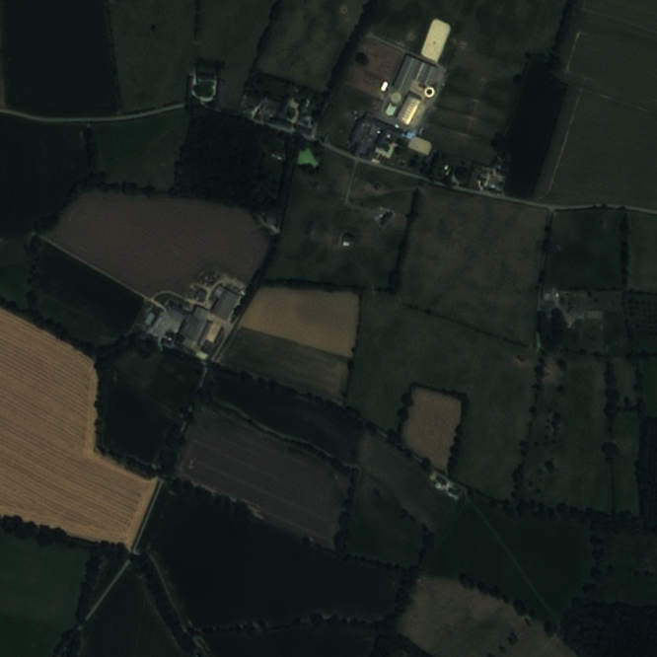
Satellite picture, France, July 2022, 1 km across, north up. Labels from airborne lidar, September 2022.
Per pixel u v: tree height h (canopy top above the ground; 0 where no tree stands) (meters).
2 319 0
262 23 0
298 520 0
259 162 18
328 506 0
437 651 0
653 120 0
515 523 0
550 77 7
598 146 0
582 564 0
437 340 0
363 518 0
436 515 0
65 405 0
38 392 0
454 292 0
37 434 0
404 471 0
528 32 0
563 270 0
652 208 0
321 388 0
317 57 0
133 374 0
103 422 15
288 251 0
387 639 20
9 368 0
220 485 0
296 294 0
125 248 0
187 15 0
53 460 0
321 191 0
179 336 11
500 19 0
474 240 0
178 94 0
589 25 0
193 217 0
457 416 0
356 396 0
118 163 0
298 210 0
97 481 0
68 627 0
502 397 0
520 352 0
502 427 0
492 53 0
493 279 0
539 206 0
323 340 0
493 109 0
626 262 12
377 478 0
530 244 0
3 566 0
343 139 0
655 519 33
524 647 0
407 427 0
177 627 15
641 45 0
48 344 0
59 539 15
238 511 24
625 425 0
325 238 0
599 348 0
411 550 0
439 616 0
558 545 0
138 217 0
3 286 0
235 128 17
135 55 0
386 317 0
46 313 0
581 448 0
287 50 0
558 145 0
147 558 20
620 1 0
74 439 0
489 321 0
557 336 28
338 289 7
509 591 0
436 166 12
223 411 0
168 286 0
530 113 0
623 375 0
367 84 0
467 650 0
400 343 0
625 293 6
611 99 0
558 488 0
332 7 0
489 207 0
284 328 0
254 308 0
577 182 0
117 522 0
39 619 0
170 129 0
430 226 0
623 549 0
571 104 0
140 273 0
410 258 0
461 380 0
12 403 0
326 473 0
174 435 18
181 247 0
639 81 0
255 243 0
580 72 0
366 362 0
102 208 0
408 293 0
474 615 0
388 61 0
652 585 0
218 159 19
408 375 0
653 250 0
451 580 0
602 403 0
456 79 0
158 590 16
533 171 0
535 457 0
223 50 0
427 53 0
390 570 12
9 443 0
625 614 35
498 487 0
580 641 34
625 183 0
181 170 13
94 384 0
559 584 0
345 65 23
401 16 0
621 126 0
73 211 0
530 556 0
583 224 0
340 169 0
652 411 0
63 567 0
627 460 0
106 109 0
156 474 12
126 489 0
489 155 0
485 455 0
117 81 7
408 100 0
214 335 0
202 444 0
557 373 0
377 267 0
